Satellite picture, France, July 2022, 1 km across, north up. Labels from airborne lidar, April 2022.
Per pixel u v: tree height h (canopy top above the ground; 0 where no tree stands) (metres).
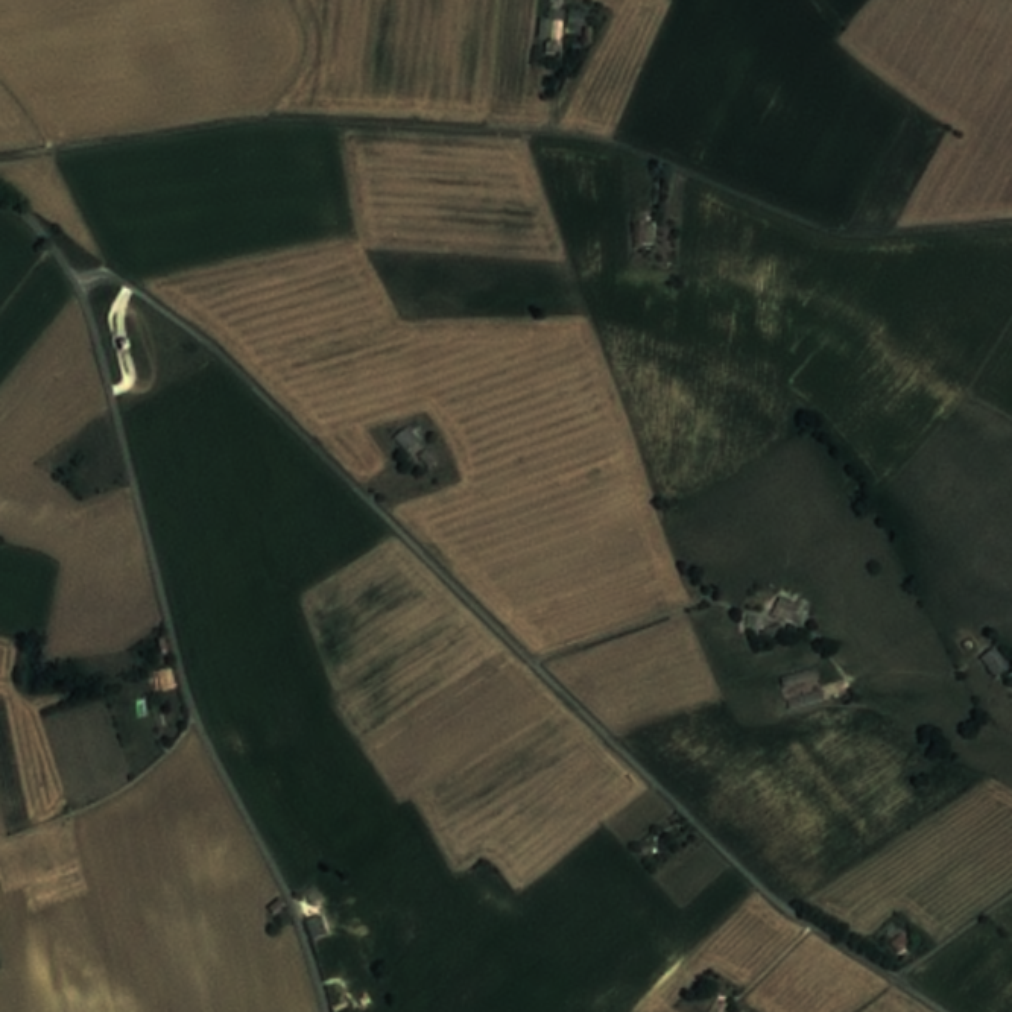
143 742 0
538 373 0
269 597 0
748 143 0
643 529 0
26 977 0
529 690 0
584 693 0
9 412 0
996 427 0
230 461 0
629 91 0
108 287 0
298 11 0
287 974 0
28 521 0
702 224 0
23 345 0
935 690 0
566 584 0
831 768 0
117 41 0
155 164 0
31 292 0
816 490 0
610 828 0
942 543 0
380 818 0
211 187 0
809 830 0
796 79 0
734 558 0
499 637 0
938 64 0
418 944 0
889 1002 0
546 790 0
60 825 0
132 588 0
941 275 0
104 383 0
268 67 0
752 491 0
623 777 0
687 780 0
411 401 0
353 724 0
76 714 0
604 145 0
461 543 0
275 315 0
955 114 0
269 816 0
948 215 0
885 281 0
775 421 0
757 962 0
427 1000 0
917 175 0
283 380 0
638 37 0
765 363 0
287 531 0
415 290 0
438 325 0
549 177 0
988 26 0
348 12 0
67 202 0
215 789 0
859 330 0
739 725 0
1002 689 0
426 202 0
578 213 0
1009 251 0
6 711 0
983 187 0
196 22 0
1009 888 0
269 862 0
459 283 0
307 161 0
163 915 0
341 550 0
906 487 0
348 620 0
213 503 0
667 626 0
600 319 0
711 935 0
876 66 0
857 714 0
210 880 0
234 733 0
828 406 0
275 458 0
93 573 0
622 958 0
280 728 0
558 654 0
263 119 0
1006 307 0
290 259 0
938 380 0
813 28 0
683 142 0
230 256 0
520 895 0
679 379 0
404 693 0
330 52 0
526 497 0
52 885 0
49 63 0
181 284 0
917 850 0
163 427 0
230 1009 0
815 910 12
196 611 0
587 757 0
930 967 0
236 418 0
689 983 0
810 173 0
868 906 0
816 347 0
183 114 0
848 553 0
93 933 0
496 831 0
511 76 0
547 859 0
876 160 0
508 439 0
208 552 0
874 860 0
